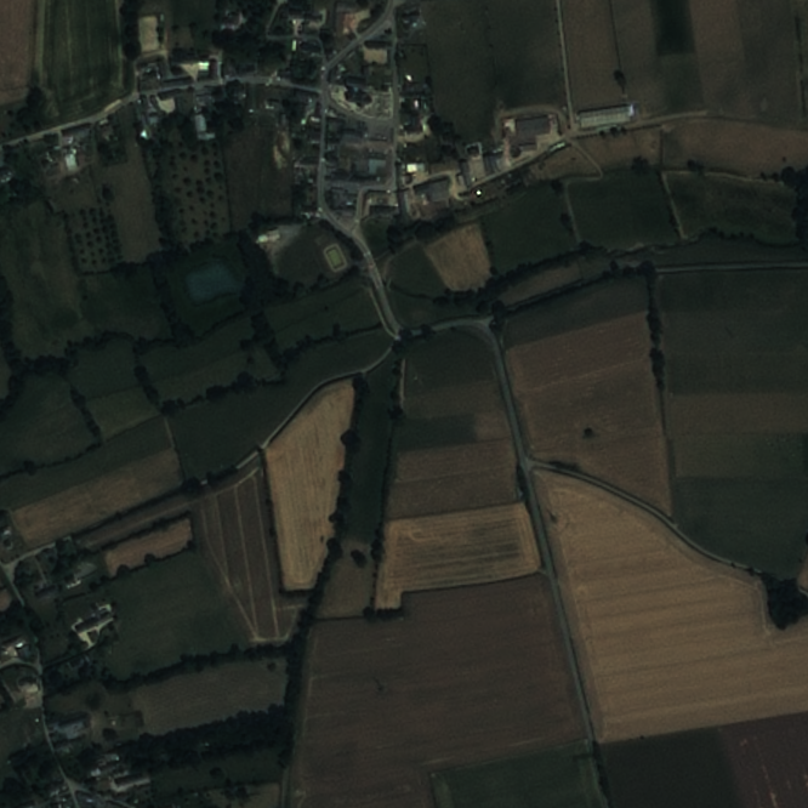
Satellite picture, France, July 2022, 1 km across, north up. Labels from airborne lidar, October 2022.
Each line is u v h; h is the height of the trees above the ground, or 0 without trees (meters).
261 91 0
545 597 0
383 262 0
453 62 0
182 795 12
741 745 0
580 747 0
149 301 0
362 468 0
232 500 0
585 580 0
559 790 0
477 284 0
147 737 12
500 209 0
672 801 0
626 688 0
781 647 0
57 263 0
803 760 0
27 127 13
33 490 0
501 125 0
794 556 0
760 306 0
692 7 0
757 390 0
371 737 0
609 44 0
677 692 0
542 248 0
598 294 0
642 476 0
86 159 0
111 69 0
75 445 0
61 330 0
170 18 0
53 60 0
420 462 0
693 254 0
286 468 0
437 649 0
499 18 0
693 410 0
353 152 0
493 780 0
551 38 0
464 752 0
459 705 0
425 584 0
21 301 0
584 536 0
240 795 14
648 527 0
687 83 0
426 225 13
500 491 0
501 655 0
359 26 0
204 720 0
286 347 0
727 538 0
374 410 0
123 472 0
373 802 0
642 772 0
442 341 0
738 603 0
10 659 0
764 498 0
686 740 0
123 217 0
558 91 0
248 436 0
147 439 0
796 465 0
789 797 0
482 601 0
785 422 0
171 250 5
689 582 0
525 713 0
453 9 0
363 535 0
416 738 0
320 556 0
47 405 0
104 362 0
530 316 0
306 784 0
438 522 0
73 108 0
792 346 0
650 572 0
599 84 0
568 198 0
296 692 8
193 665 16
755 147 0
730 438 0
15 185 18
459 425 0
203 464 0
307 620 12
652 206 0
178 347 12
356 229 0
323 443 0
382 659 0
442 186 0
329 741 0
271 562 0
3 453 0
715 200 0
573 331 0
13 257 0
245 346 15
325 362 0
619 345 0
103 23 0
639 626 0
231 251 0
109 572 0
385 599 0
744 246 0
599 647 0
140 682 13
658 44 0
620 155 0
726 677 0
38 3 0
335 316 0
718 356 0
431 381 0
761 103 0
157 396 18
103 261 7
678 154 0
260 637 0
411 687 0
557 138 0
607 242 0
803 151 0
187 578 0
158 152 9
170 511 0
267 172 0
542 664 0
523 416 0
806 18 0
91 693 0
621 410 0
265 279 30
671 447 0
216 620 0
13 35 0
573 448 0
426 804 0
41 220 0
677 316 0
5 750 0
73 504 0
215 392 15
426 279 0
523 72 0
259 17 16
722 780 0
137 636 0
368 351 0
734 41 0
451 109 0
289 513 0
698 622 0
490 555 0
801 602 17
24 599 6
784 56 0
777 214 0
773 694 0
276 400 0
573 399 0
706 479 0
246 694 0
